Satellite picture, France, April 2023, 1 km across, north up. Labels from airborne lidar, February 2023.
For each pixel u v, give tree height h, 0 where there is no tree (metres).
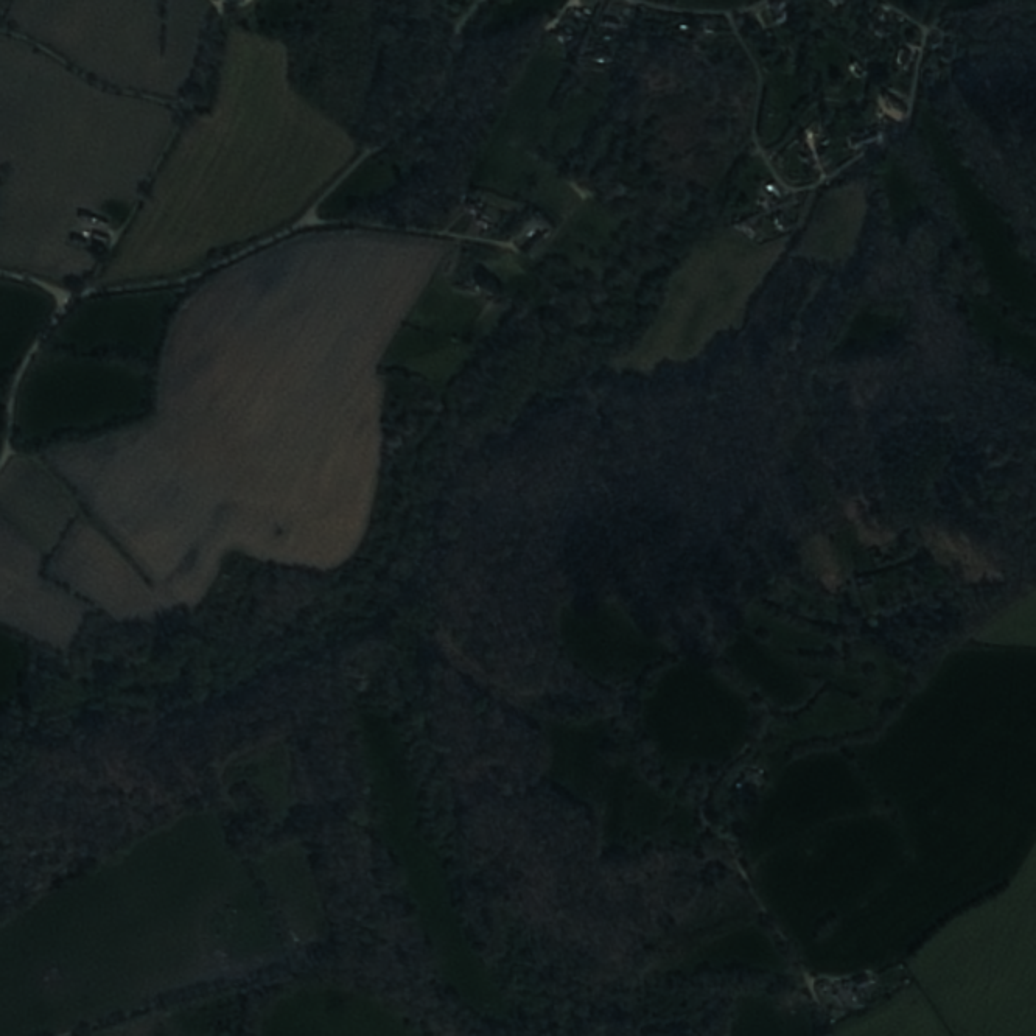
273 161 0
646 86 8
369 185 0
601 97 0
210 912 0
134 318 0
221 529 0
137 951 0
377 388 0
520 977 7
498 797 24
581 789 0
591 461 27
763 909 7
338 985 19
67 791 7
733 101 8
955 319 31
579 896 19
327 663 22
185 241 0
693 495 24
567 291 15
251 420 0
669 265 10
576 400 21
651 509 22
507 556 20
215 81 13
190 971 0
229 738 20
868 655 0
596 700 15
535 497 20
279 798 0
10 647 0
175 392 0
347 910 22
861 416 14
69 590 8
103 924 0
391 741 0
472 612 18
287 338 0
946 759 0
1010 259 0
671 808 0
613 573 21
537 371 41
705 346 0
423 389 10
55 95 0
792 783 0
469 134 24
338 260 0
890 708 13
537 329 22
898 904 0
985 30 15
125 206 0
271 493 0
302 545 0
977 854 0
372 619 5
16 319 0
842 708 0
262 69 0
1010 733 0
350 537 0
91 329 0
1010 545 20
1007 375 21
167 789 17
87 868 14
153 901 0
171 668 11
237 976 0
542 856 19
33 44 8
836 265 0
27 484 0
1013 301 0
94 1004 0
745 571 20
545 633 20
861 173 12
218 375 0
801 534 21
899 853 0
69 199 0
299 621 15
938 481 9
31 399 0
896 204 0
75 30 0
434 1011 22
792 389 24
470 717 24
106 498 0
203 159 0
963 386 26
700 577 19
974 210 0
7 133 0
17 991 0
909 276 22
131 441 0
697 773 9
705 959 0
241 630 16
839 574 0
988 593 16
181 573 0
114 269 0
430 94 25
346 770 25
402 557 14
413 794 0
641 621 25
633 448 27
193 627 20
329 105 6
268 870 0
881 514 19
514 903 27
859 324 0
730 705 0
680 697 0
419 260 0
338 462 0
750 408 21
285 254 0
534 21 16
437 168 24
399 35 17
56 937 0
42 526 0
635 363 0
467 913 33
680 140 0
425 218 18
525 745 28
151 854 0
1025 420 28
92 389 0
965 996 0
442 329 0
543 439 27
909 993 0
